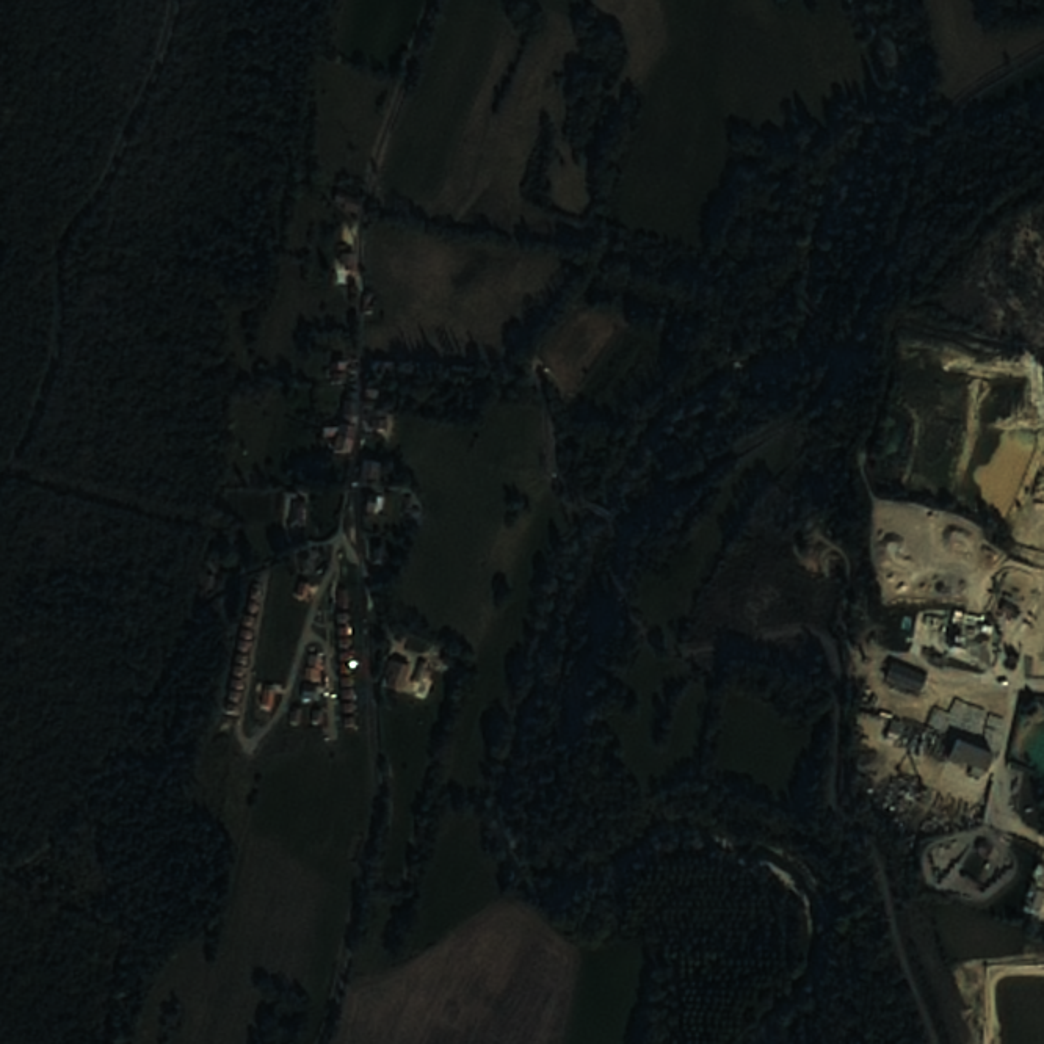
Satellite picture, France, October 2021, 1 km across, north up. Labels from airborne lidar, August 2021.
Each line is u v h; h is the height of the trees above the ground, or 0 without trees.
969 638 0
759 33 0
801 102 0
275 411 0
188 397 12
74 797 14
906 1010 15
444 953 0
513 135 0
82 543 14
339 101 0
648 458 15
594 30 15
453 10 0
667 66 0
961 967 0
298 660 0
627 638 28
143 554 9
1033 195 6
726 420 9
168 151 6
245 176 13
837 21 0
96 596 21
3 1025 12
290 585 0
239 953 0
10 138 14
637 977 0
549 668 22
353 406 0
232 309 9
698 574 0
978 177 20
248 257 14
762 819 27
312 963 0
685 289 23
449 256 0
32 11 12
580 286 21
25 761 13
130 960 16
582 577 19
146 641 11
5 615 13
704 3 0
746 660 20
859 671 0
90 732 13
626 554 22
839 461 14
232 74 23
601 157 19
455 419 18
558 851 18
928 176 13
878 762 0
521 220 0
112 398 11
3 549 11
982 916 0
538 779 22
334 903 0
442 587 0
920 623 0
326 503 0
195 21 11
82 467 8
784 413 27
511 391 14
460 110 0
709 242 16
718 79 0
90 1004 19
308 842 0
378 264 0
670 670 0
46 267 12
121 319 17
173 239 14
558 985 0
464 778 0
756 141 14
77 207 12
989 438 0
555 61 0
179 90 12
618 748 15
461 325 0
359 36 0
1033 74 0
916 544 0
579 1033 0
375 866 13
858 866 23
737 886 15
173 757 16
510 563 0
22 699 13
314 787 0
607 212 15
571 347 0
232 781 0
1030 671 0
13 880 12
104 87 7
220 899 24
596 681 24
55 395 12
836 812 0
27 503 10
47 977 14
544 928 0
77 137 6
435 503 0
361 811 0
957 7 0
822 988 17
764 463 0
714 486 20
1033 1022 0
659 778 0
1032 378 0
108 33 11
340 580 0
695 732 0
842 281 13
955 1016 0
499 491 0
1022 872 0
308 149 15
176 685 16
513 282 0
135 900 21
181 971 0
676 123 0
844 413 20
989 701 0
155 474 7
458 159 0
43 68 11
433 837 19
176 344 14
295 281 0
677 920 13
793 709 14
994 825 0
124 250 21
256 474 0
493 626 0
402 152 0
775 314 13
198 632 17
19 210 12
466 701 19
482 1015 0
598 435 20
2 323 10
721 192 0
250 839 0
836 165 15
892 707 0
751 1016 10
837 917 26
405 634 16
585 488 7
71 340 13
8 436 10
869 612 0
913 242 13
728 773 0
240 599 23
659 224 0
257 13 21
